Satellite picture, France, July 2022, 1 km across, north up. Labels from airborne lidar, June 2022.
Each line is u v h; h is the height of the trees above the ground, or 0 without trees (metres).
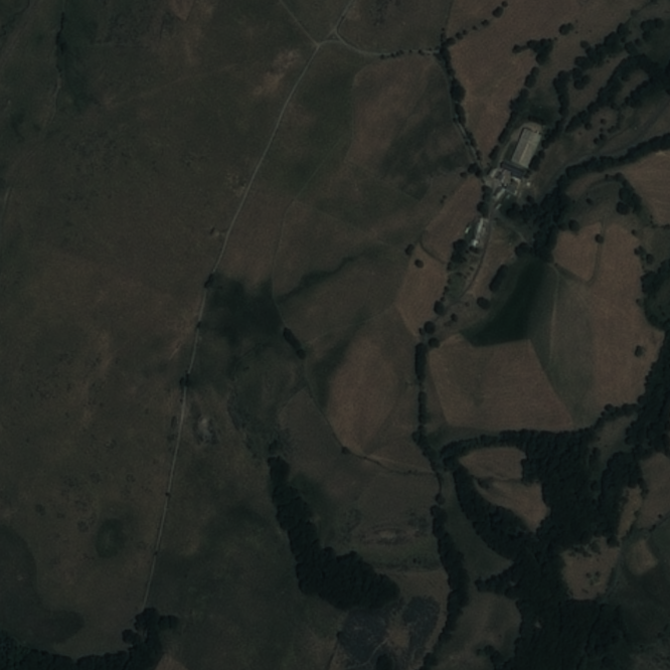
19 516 0
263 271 0
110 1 0
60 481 0
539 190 0
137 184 0
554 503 15
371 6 0
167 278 0
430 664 13
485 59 0
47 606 0
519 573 21
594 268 0
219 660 0
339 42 0
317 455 0
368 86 0
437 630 0
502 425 0
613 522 18
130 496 0
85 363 0
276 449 10
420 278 0
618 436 0
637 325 0
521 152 0
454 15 0
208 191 0
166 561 0
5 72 0
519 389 0
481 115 0
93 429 0
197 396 0
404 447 0
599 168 15
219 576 0
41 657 18
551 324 0
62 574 0
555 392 0
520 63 0
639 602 0
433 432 0
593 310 0
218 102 0
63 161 0
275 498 8
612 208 0
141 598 0
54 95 0
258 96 0
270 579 0
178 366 0
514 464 0
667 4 0
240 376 0
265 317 0
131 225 0
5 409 0
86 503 0
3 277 0
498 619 0
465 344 0
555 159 0
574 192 0
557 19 0
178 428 0
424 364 15
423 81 0
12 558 0
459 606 7
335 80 0
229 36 0
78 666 11
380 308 0
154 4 0
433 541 0
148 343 0
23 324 0
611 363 0
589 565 0
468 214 0
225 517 0
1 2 0
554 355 0
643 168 0
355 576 19
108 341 0
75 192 0
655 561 0
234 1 0
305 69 0
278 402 0
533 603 17
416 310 0
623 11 0
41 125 0
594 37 0
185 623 0
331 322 0
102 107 0
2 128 0
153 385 0
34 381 0
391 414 0
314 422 0
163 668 0
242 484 0
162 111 0
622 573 0
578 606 23
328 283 0
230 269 0
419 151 0
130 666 14
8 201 0
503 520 23
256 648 0
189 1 0
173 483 0
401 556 0
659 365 11
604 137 16
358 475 0
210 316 0
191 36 0
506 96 0
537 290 0
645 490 7
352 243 0
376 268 0
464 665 0
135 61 0
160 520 0
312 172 0
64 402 0
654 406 18
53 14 0
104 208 0
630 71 19
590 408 0
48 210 0
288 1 0
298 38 0
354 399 0
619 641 10
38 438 0
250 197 0
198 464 0
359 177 0
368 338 0
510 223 0
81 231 0
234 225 0
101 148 0
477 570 0
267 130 0
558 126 12
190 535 0
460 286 0
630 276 0
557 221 16
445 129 0
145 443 0
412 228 0
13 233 0
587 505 20
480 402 0
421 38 0
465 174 10
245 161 0
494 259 0
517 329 0
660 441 19
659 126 0
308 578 18
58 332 0
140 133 0
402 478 0
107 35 0
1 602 0
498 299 0
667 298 0
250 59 0
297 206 0
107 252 0
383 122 0
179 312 0
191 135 0
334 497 0
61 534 0
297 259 0
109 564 0
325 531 0
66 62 0
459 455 10
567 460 19
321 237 0
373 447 0
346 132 0
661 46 0
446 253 0
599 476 0
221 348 0
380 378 0
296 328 0
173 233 0
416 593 0
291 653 0
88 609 0
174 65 0
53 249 0
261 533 0
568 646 17
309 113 0
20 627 0
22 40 0
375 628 0
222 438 0
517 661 17
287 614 0
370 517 0
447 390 0
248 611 0
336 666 0
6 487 0
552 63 0
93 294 0
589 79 14
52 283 0
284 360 0
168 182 0
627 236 0
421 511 0
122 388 0
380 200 0
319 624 0
